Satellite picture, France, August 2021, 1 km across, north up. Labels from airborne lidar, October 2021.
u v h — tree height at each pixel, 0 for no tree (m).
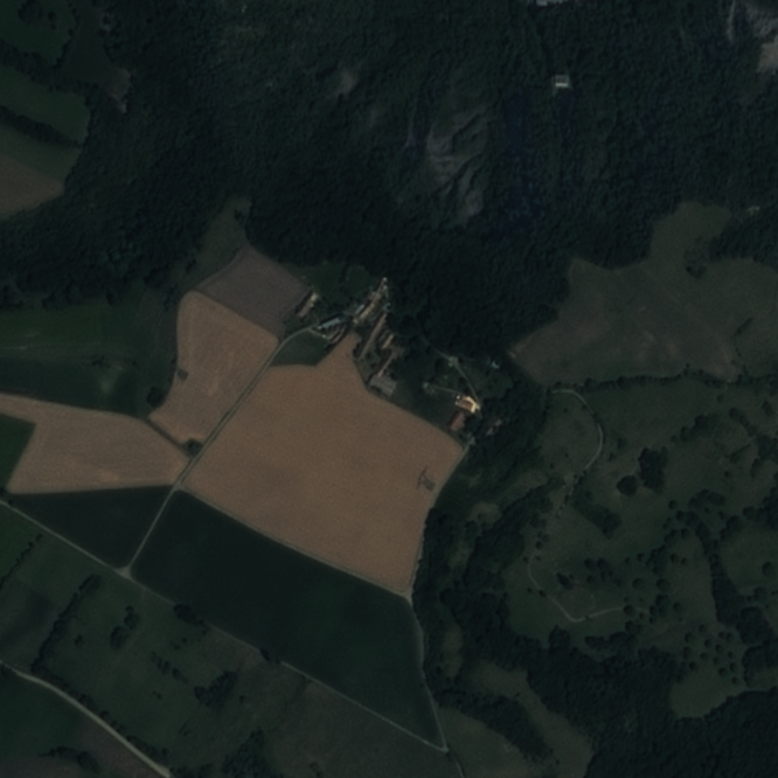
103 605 0
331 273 0
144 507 0
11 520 0
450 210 11
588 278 0
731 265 0
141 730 0
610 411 0
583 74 14
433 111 10
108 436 0
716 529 0
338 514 0
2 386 0
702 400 0
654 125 7
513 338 16
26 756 0
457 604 23
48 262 34
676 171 11
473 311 26
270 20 9
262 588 0
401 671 0
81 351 0
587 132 15
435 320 28
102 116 18
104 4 25
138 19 27
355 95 12
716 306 0
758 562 0
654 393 0
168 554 0
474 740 0
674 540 12
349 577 0
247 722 0
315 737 0
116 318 0
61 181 0
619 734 6
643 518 0
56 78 24
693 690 0
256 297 0
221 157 22
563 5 16
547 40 8
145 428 0
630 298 0
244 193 18
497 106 7
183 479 0
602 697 30
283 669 0
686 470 0
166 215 31
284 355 0
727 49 10
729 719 32
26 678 0
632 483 16
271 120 16
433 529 17
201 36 13
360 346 8
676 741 25
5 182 0
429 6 16
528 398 11
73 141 8
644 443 0
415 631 0
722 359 0
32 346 0
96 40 0
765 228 14
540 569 0
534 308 20
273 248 22
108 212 14
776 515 21
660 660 19
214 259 0
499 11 18
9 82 0
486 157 6
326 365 0
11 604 0
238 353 0
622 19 15
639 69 10
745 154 11
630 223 15
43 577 0
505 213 12
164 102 25
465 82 6
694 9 10
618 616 0
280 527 0
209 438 0
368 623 0
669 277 0
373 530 0
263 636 0
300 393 0
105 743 0
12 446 0
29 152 0
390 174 5
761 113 8
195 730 0
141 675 0
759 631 20
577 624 0
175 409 0
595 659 19
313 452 0
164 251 36
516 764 0
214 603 0
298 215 27
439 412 0
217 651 0
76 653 0
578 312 0
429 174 6
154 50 27
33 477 0
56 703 0
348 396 0
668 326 0
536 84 9
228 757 7
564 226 14
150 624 0
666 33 14
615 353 0
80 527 0
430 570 9
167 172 27
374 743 0
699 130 15
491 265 21
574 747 0
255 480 0
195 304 0
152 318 0
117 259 24
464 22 15
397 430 0
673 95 8
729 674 10
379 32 18
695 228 0
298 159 14
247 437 0
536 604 0
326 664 0
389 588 0
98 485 0
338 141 18
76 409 0
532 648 25
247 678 0
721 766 35
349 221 31
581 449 0
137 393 0
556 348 0
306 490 0
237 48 7
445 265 36
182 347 0
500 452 12
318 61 6
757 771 31
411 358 9
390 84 6
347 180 26
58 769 0
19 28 0
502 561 17
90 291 23
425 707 0
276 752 0
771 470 0
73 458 0
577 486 10
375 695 0
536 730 8
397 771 0
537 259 23
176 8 21
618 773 27
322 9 7
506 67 13
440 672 16
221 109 13
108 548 0
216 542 0
